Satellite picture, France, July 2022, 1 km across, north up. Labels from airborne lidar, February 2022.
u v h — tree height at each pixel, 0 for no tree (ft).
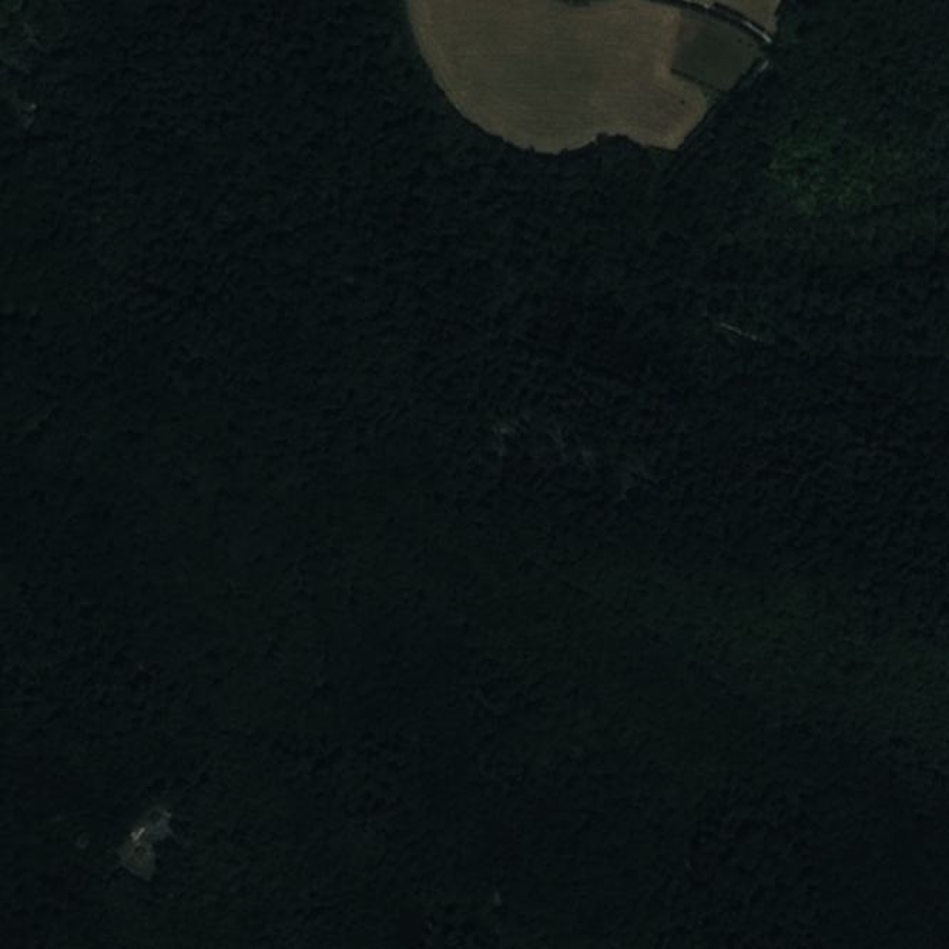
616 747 66
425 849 64
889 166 46
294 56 80
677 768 62
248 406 78
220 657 76
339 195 64
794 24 79
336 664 53
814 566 72
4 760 50
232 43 82
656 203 78
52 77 55
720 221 65
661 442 76
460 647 68
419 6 0
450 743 70
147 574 61
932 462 84
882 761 82
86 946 74
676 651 64
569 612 62
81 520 79
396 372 70
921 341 65
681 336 83
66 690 56
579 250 47
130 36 61
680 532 67
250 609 58
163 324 81
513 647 60
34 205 63
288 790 73
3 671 73
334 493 64
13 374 63
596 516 79
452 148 79
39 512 74
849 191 42
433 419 67
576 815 84
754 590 64
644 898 82
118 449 74
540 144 0
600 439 63
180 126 68
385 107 80
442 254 72
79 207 74
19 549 72
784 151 60
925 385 96
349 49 84
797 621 32
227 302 70
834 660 50
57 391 52
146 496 75
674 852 83
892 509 60
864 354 91
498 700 57
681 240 71
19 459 70
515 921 78
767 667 59
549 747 61
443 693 78
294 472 73
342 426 76
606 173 84
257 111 73
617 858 78
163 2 59
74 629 71
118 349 57
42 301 55
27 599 73
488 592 74
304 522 55
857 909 86
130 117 83
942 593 74
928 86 23
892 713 58
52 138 75
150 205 80
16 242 68
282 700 70
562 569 62
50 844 65
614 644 66
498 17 0
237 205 73
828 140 61
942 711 46
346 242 73
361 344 64
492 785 73
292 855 67
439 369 64
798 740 91
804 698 60
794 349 80
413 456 62
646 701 61
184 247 80
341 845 60
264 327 71
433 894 69
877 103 55
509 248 64
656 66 0
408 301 67
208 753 75
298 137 87
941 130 46
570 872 84
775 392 62
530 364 80
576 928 78
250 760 75
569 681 52
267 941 68
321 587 53
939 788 68
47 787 61
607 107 0
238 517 56
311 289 71
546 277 99
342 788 68
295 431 72
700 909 80
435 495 75
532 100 0
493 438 89
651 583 62
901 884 93
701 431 72
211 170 80
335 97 80
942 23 52
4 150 59
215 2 72
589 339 42
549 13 0
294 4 70
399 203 76
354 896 73
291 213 83
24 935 71
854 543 47
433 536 60
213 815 77
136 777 60
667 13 0
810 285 77
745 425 69
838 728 72
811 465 78
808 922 77
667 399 86
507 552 74
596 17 0
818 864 77
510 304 71
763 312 81
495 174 99
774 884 76
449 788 86
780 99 76
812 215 37
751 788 69
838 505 82
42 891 61
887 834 91
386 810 69
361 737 69
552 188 83
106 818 61
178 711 70
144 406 57
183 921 82
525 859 87
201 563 63
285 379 80
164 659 75
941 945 93
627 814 81
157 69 68
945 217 80
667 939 82
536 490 85
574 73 0
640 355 19
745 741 61
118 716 70
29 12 69
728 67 0
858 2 53
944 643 66
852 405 76
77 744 67
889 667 36
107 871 60
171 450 52
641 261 69
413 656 78
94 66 67
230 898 80
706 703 58
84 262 73
